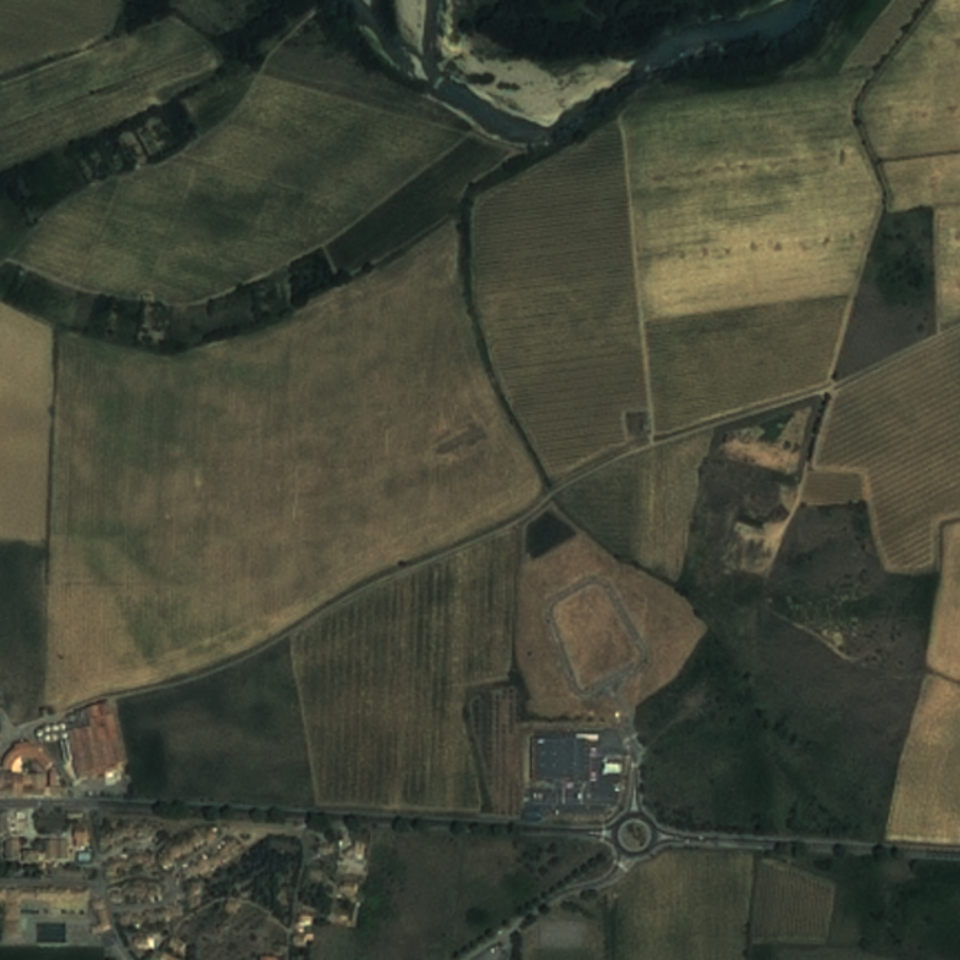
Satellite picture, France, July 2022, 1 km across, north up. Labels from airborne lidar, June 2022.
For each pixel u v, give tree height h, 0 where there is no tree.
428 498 0
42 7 0
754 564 0
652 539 0
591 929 0
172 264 0
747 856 0
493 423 0
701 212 0
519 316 0
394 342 0
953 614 0
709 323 0
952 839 0
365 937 0
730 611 0
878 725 0
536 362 0
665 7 9
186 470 0
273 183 0
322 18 9
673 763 0
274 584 0
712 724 0
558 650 0
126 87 0
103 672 0
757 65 14
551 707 0
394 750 0
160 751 0
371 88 0
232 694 0
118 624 0
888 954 0
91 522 0
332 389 0
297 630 0
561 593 0
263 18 7
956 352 0
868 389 0
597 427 0
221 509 0
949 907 0
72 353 0
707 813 0
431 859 0
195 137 7
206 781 0
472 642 0
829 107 0
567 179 0
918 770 0
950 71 0
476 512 0
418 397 0
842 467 0
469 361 0
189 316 0
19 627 0
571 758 0
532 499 0
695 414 0
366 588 0
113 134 11
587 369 0
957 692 0
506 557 0
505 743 0
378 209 0
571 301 0
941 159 0
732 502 0
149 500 0
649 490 0
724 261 0
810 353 0
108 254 0
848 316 0
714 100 0
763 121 0
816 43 10
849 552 0
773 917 0
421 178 0
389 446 0
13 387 0
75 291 0
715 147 0
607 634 0
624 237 0
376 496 0
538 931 0
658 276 0
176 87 0
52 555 0
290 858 9
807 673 0
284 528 0
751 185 0
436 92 0
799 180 0
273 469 0
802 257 0
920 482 0
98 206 0
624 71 0
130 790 6
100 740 0
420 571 0
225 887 7
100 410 0
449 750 0
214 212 0
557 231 0
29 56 0
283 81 0
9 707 0
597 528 0
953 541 0
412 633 0
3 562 0
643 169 0
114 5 0
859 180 0
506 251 0
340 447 0
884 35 0
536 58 7
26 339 0
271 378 0
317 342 0
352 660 0
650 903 0
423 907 0
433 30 0
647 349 0
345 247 0
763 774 0
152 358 0
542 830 0
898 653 0
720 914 0
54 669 0
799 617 0
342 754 0
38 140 0
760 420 0
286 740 0
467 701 0
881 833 0
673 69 8
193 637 0
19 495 0
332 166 0
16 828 0
